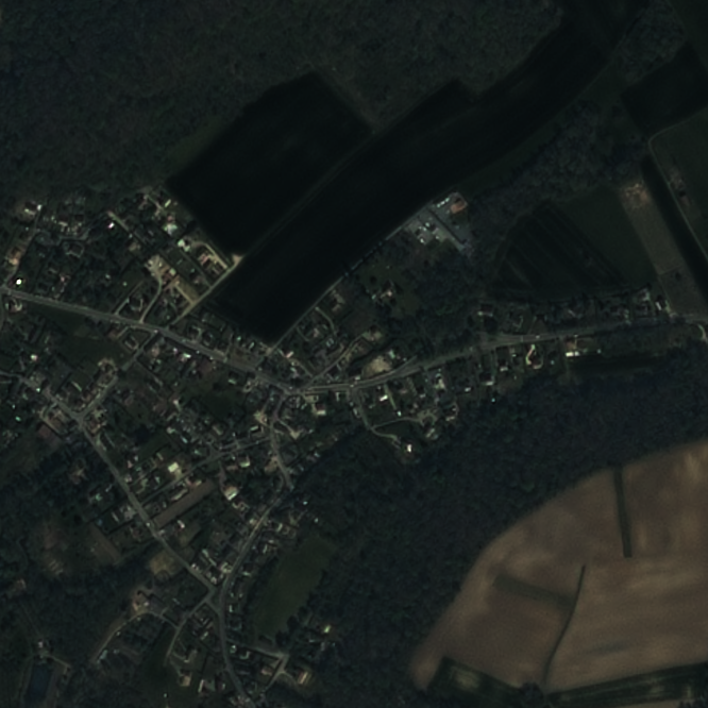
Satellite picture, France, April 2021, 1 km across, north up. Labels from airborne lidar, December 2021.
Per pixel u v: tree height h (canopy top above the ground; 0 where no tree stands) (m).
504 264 0
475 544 15
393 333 6
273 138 0
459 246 0
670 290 0
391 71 0
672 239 0
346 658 21
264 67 17
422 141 0
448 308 21
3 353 6
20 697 6
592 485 0
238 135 0
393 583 24
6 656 7
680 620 0
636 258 0
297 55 20
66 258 8
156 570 0
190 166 0
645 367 0
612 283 0
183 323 0
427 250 0
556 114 0
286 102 0
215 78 14
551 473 21
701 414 24
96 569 0
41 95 26
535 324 0
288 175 0
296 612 0
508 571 0
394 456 11
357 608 20
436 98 0
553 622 0
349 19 20
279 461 0
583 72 0
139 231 9
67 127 25
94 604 16
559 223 0
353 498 17
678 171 0
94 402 0
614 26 0
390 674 20
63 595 22
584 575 0
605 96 0
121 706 15
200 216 0
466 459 19
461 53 22
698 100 0
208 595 0
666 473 0
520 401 9
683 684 0
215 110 19
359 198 0
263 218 0
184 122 13
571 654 0
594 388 15
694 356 22
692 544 0
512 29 25
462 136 0
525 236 0
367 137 0
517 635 0
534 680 0
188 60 26
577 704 0
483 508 16
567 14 0
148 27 29
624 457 16
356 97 0
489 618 0
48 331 8
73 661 20
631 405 25
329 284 0
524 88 0
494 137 0
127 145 21
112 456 0
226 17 14
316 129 0
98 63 25
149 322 0
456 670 0
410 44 16
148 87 26
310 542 0
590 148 22
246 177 0
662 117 0
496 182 0
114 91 26
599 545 0
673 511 0
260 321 0
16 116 31
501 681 0
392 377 0
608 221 0
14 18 20
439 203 0
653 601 0
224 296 0
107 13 24
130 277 0
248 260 0
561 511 0
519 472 20
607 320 16
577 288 0
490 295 0
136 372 0
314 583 0
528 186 19
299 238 0
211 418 0
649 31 13
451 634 0
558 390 21
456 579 11
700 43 0
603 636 0
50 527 17
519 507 16
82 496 8
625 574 0
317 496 15
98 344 0
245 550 0
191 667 0
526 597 0
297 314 0
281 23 21
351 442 11
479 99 0
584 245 0
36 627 21
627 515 0
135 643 10
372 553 15
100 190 12
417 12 23
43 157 24
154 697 0
